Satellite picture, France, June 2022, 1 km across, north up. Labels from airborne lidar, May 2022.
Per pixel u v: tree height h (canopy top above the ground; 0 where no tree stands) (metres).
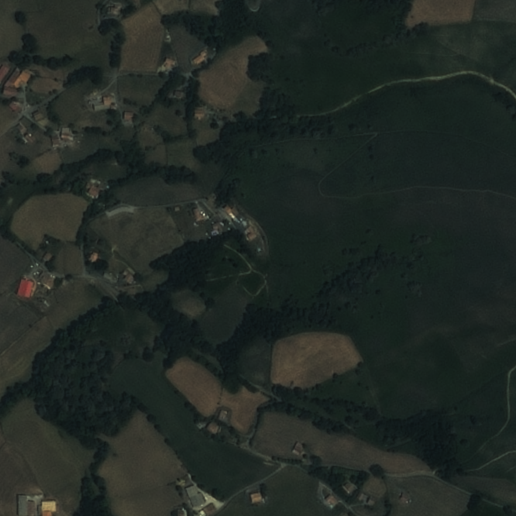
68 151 0
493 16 0
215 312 0
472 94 0
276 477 0
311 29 0
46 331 0
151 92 0
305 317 11
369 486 0
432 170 0
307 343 0
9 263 0
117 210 0
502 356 0
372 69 0
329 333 0
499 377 0
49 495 0
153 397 0
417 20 0
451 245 0
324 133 13
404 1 8
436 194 0
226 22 17
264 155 10
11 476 0
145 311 15
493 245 0
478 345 0
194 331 27
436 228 0
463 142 0
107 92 0
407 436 7
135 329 0
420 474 0
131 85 0
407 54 0
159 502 0
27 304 0
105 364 12
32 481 0
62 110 0
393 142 0
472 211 0
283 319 17
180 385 0
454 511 0
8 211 0
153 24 0
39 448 0
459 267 0
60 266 0
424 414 15
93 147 0
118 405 12
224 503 0
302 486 0
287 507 0
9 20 0
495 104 0
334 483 10
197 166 0
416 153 0
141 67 0
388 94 0
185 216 0
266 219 0
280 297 6
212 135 0
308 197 0
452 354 0
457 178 0
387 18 0
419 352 0
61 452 0
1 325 0
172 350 25
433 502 0
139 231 0
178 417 0
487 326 0
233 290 0
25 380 0
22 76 0
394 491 0
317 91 0
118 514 0
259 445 0
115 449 0
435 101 0
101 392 11
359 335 0
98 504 20
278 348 0
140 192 0
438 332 0
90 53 0
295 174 0
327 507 0
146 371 0
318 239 0
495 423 0
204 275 12
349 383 0
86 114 0
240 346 21
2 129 0
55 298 0
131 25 0
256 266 0
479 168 0
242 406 0
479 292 0
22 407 0
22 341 0
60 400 14
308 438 0
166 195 0
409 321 0
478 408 0
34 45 13
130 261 0
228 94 0
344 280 18
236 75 0
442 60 0
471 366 0
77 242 6
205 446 0
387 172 0
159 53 0
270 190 0
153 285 0
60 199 0
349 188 0
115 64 16
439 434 18
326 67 0
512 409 0
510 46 0
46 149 0
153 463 0
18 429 0
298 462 9
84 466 0
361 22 0
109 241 0
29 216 0
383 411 0
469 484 0
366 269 19
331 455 0
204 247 11
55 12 0
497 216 0
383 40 9
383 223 0
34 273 0
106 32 16
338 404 9
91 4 0
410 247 0
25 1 0
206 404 0
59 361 20
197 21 19
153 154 0
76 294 0
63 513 0
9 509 0
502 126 0
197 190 0
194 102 11
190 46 0
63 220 0
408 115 0
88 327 26
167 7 0
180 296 0
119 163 10
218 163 12
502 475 0
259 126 12
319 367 0
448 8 0
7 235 19
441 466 12
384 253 5
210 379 0
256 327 25
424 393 0
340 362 0
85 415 19
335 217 0
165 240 0
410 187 0
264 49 0
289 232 0
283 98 20
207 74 0
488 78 0
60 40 0
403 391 0
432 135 0
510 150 0
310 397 9
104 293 0
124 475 0
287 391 25
